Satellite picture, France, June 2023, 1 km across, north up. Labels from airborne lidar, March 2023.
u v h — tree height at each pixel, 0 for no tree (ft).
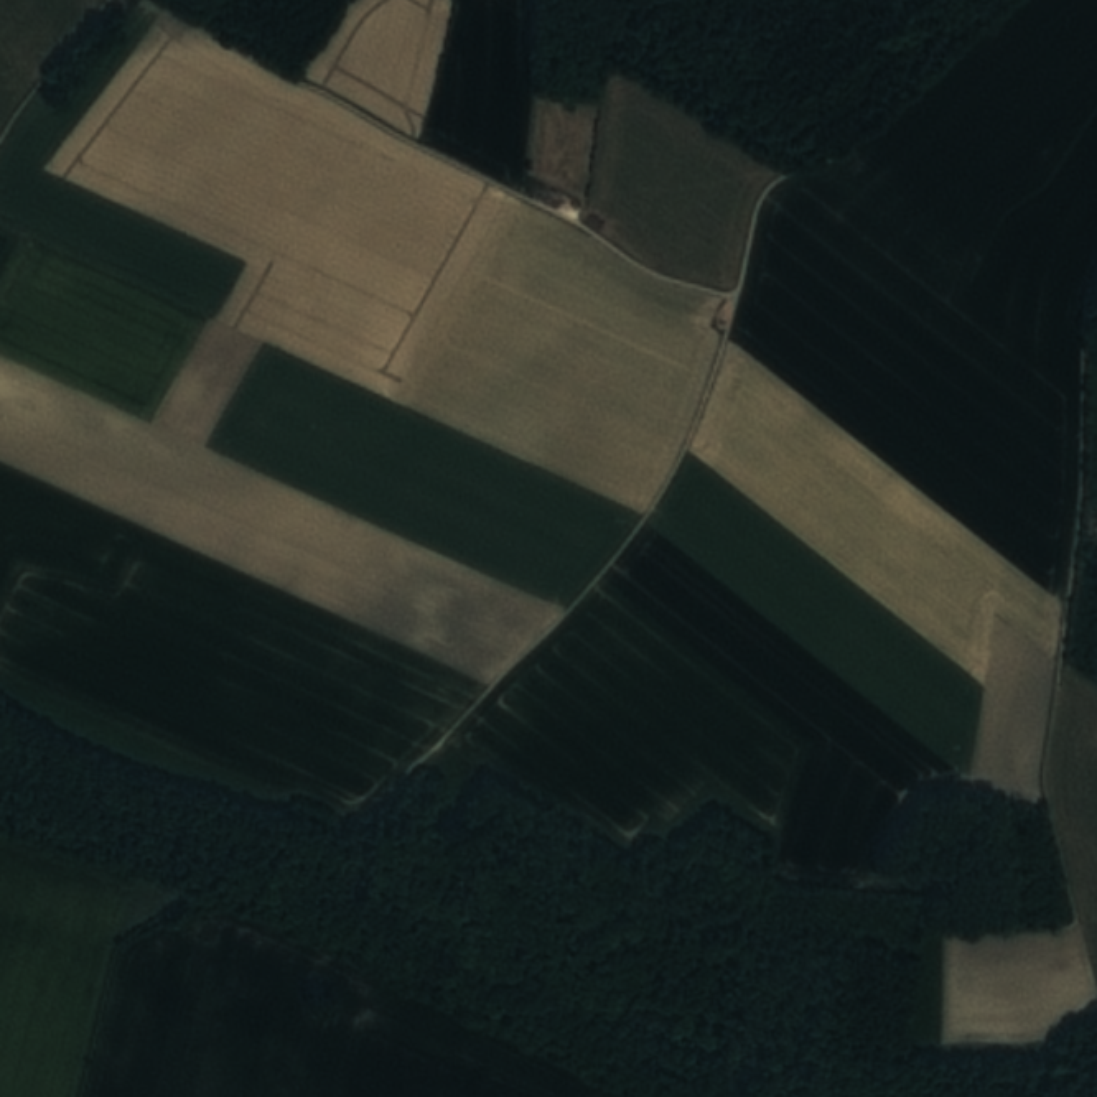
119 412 0
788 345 0
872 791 0
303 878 83
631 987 72
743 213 0
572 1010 81
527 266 0
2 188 0
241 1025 0
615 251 0
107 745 0
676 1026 96
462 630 0
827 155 20
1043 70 0
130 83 0
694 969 101
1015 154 0
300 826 74
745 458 0
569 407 0
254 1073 0
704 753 0
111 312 0
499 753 0
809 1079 104
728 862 94
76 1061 0
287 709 0
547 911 80
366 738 0
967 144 0
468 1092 0
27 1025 0
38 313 0
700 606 0
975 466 0
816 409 0
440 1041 0
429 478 0
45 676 0
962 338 0
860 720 0
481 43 0
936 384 0
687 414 0
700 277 0
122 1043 0
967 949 0
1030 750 0
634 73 41
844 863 0
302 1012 0
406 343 0
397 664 0
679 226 0
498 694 0
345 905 83
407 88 0
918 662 0
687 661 0
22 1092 0
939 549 0
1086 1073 80
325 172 0
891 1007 54
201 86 0
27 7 0
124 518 0
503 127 0
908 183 0
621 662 0
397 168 0
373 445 0
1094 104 0
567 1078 0
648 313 0
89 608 0
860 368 0
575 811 0
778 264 0
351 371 0
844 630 0
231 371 0
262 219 0
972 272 0
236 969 0
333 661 0
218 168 0
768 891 61
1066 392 0
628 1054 82
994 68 0
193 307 0
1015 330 0
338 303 0
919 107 0
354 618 0
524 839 103
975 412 0
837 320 0
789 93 52
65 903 0
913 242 0
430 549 0
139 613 0
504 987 67
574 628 0
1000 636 0
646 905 87
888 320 0
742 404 0
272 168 0
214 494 0
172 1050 0
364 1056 0
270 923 27
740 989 97
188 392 0
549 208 0
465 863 94
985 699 0
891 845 83
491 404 0
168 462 0
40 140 0
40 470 0
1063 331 0
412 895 100
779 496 0
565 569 0
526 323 0
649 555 0
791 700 0
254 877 89
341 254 0
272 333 0
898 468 0
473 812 84
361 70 0
